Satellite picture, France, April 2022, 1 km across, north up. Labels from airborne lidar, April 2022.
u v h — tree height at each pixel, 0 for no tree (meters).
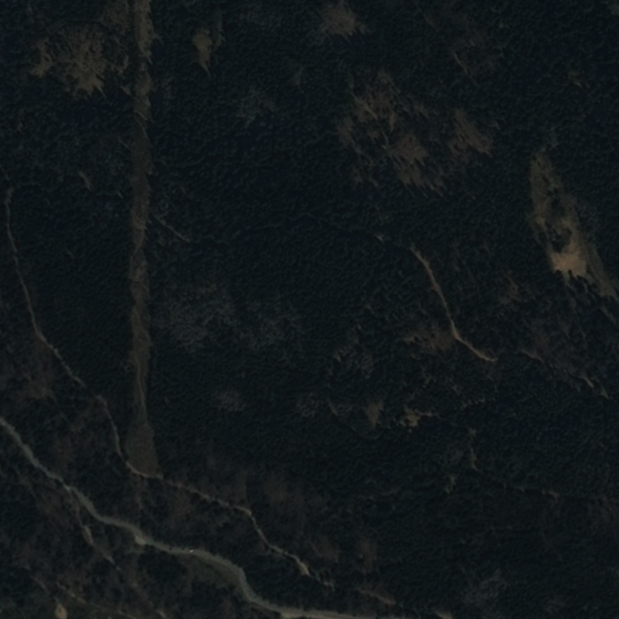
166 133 26
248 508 14
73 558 16
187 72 35
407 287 37
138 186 0
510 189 30
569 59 35
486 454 24
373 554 14
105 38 7
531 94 31
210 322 8
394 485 20
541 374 12
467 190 17
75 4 17
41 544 22
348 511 10
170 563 16
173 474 19
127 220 25
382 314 23
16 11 27
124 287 22
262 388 23
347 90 18
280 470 22
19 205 18
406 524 27
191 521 17
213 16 19
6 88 31
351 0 19
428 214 28
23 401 18
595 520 12
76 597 14
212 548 14
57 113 20
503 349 27
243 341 21
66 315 24
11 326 20
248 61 26
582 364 25
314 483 22
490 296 30
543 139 28
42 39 10
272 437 27
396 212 19
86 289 22
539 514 14
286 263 24
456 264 20
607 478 14
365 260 24
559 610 25
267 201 29
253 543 12
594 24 25
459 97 28
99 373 21
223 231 22
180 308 21
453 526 10
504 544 20
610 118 38
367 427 20
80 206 15
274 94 30
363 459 21
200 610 21
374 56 24
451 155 20
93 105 10
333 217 27
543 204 0
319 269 26
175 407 29
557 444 27
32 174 29
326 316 25
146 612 22
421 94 27
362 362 24
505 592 26
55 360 16
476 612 29
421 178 0
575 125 21
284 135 32
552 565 19
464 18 18
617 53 42
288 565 12
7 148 12
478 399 8
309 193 25
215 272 27
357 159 26
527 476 19
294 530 12
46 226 19
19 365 18
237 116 27
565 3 27
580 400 28
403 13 16
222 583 13
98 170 28
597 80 17
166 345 21
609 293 0
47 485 7
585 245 0
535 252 36
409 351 15
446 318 20
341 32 0
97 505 18
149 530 16
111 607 24
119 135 21
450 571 12
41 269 17
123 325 23
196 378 24
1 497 25
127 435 16
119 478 14
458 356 7
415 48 24
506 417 26
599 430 18
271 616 12
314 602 23
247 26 28
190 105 30
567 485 14
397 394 19
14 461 25
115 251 20
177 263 17
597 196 31
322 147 27
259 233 24
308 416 23
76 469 14
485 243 34
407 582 31
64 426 11
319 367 24
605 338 28
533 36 14
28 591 36
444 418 11
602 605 9
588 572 25
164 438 21
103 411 13
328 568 12
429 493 22
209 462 17
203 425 25
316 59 26
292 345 23
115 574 18
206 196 29
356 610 16
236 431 23
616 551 18
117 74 7
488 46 13
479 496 16
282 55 23
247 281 26
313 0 16
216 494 16
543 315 32
